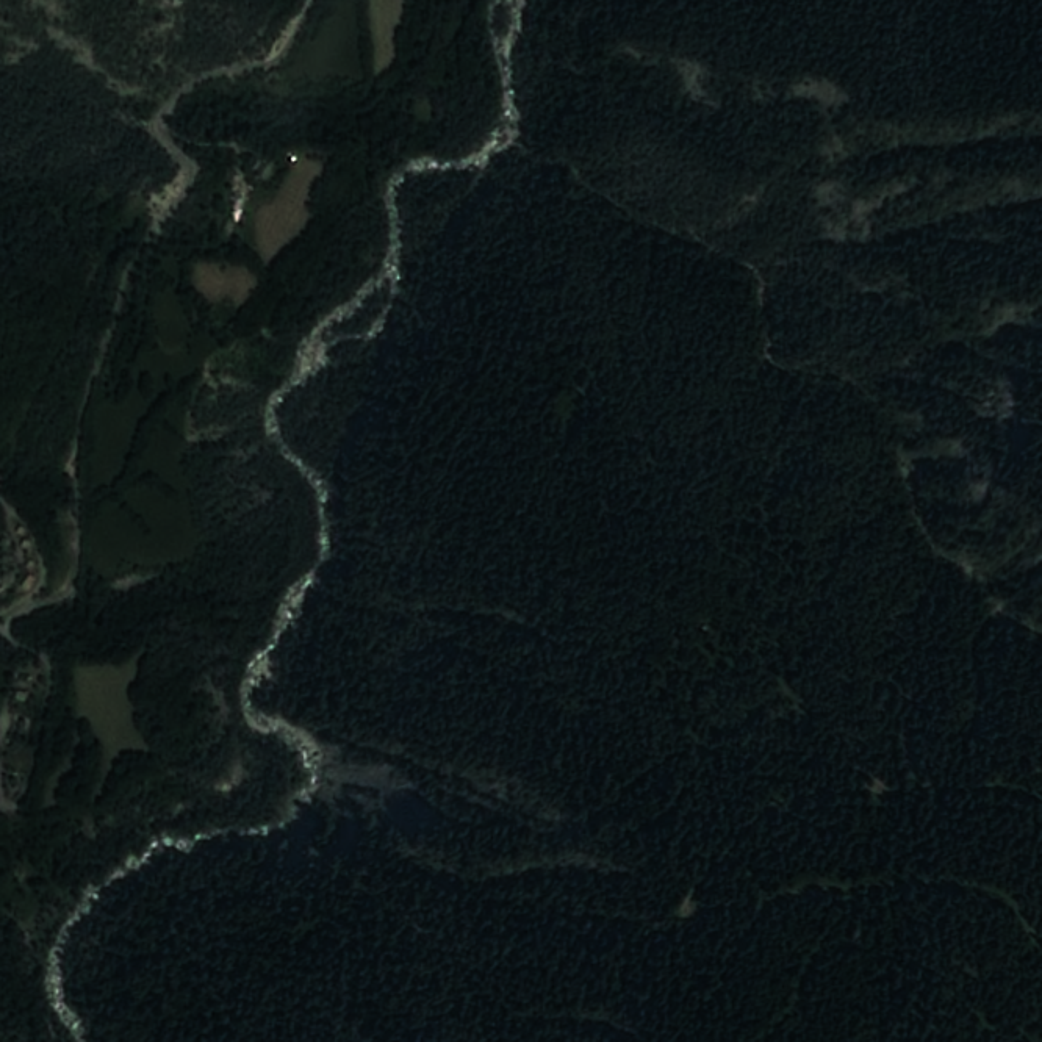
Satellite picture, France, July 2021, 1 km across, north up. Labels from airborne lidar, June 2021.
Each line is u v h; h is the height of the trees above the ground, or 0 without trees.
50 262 13
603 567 24
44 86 9
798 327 15
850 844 33
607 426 22
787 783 19
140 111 15
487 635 22
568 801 9
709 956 15
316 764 0
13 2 8
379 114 20
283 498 15
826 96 0
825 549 31
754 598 21
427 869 8
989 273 18
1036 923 28
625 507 25
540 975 24
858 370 10
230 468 7
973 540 9
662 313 25
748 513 22
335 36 0
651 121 13
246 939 9
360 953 25
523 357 29
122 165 8
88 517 12
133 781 7
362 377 8
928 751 24
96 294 10
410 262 11
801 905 11
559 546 22
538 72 13
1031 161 12
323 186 15
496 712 30
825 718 25
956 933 24
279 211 0
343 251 18
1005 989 29
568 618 25
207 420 7
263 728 0
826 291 7
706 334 26
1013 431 0
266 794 11
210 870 24
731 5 23
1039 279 15
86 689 0
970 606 24
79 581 10
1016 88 18
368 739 14
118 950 12
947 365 8
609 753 17
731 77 10
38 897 16
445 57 13
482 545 24
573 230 19
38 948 16
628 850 22
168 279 13
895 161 11
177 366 0
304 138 12
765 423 23
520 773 10
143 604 21
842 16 17
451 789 13
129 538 0
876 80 10
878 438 21
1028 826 33
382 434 19
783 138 9
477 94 16
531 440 25
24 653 9
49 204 14
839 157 6
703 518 28
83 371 12
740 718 29
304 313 13
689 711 15
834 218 6
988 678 22
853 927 10
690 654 22
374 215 15
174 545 0
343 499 6
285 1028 19
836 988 15
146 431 15
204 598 20
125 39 6
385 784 0
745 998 7
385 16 0
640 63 6
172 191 0
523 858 10
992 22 22
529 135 21
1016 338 10
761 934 19
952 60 14
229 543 16
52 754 20
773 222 14
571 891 23
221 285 0
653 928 7
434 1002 22
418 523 19
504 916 22
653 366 17
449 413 19
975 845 30
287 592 11
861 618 23
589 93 11
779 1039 14
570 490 20
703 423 16
